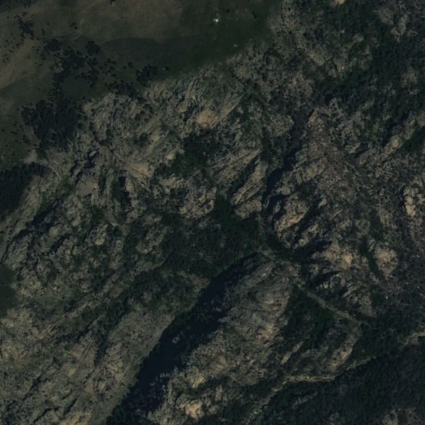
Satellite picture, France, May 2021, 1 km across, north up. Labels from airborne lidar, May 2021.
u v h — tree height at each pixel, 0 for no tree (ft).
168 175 27
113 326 37
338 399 82
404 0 45
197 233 61
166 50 0
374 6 73
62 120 64
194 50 0
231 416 63
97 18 0
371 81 19
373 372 77
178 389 25
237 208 66
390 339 82
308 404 78
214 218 21
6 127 0
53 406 27
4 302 0
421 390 60
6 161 0
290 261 31
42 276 29
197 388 24
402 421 46
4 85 0
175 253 54
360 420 58
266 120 39
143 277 48
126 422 44
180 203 33
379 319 36
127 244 32
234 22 0
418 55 25
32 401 21
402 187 24
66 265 22
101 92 0
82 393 0
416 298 73
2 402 22
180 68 0
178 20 0
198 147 54
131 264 22
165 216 31
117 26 0
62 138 49
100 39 0
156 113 28
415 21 36
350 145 34
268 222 27
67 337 73
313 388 74
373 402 43
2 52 0
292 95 29
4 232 36
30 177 46
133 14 0
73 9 0
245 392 26
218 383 38
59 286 41
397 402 38
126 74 0
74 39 0
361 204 39
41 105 39
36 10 0
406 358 21
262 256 22
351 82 42
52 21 0
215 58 0
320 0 40
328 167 57
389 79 20
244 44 0
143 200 28
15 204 61
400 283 64
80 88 0
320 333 26
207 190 24
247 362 37
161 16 0
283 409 35
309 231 19
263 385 48
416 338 0
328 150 48
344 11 27
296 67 30
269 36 0
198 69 0
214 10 0
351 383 81
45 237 22
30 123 53
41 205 30
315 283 33
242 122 53
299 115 48
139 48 0
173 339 92
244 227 82
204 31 0
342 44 31
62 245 39
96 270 23
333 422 24
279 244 40
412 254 66
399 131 20
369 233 17
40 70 0
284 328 39
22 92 0
